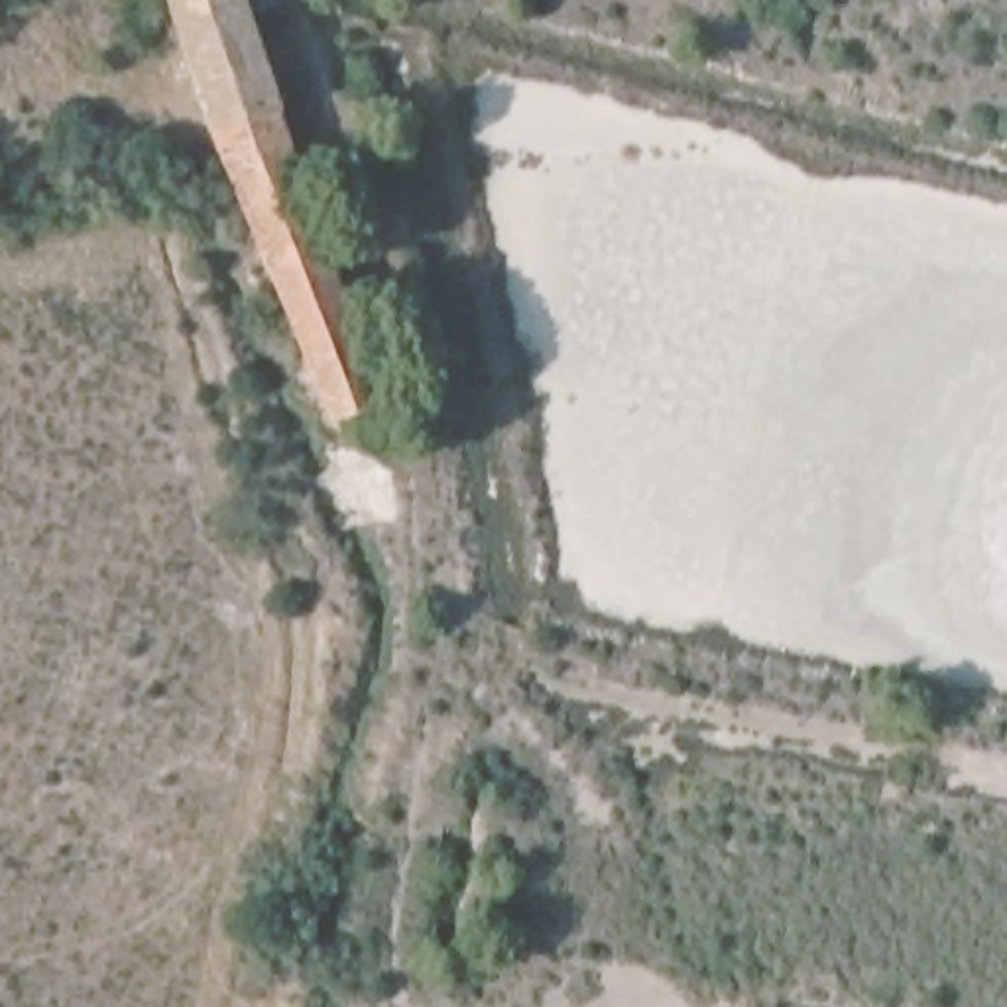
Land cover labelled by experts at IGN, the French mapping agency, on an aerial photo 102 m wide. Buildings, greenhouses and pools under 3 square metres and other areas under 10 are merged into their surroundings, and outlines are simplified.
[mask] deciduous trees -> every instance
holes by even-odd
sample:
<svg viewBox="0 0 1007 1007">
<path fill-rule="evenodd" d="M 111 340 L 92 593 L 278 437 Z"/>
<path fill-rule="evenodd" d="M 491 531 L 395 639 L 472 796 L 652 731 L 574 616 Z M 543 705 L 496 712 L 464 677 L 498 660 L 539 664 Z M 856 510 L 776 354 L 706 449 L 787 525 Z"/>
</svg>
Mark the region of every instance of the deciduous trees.
<svg viewBox="0 0 1007 1007">
<path fill-rule="evenodd" d="M 995 688 L 976 665 L 952 665 L 932 673 L 909 661 L 897 665 L 889 704 L 924 712 L 924 720 L 948 736 L 948 728 L 976 720 L 976 712 L 987 704 L 987 692 Z"/>
<path fill-rule="evenodd" d="M 35 0 L 0 0 L 0 39 L 20 39 L 20 31 L 43 8 Z"/>
<path fill-rule="evenodd" d="M 126 114 L 114 98 L 67 98 L 55 106 L 51 118 L 39 118 L 43 142 L 24 142 L 16 138 L 12 122 L 0 118 L 0 240 L 8 240 L 8 248 L 20 256 L 51 236 L 79 236 L 87 232 L 90 205 L 98 212 L 122 212 L 134 224 L 146 220 L 149 228 L 181 232 L 189 240 L 189 256 L 197 256 L 208 271 L 208 303 L 224 319 L 228 311 L 236 311 L 240 260 L 216 244 L 216 220 L 240 208 L 236 185 L 220 165 L 208 130 L 193 122 L 153 122 L 146 114 Z"/>
<path fill-rule="evenodd" d="M 358 401 L 350 421 L 354 448 L 389 468 L 397 460 L 429 456 L 425 425 L 441 405 L 433 393 L 421 334 L 413 326 L 413 299 L 397 291 L 401 267 L 389 267 L 393 248 L 385 244 L 385 236 L 358 212 L 350 212 L 346 193 L 338 189 L 334 149 L 311 146 L 303 153 L 291 146 L 287 157 L 271 169 L 271 181 L 279 197 L 279 216 L 291 224 L 334 354 Z"/>
<path fill-rule="evenodd" d="M 334 94 L 334 114 L 342 130 L 366 138 L 370 149 L 389 161 L 409 161 L 413 149 L 397 138 L 397 102 L 389 94 L 378 94 L 370 55 L 385 43 L 385 16 L 405 16 L 409 0 L 303 0 L 311 12 L 338 20 L 334 47 L 342 59 L 342 90 Z"/>
</svg>

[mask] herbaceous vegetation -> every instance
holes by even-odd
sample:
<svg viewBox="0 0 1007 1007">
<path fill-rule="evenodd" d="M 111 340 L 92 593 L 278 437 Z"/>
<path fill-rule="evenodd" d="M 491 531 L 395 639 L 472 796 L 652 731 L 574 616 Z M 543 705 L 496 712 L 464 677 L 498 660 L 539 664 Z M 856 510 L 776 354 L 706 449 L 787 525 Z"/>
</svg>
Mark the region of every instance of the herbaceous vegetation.
<svg viewBox="0 0 1007 1007">
<path fill-rule="evenodd" d="M 700 114 L 673 94 L 657 98 L 645 90 L 625 90 L 618 98 L 633 110 L 696 122 Z"/>
<path fill-rule="evenodd" d="M 795 126 L 763 130 L 755 142 L 771 157 L 791 161 L 810 177 L 893 177 L 901 173 L 901 161 L 885 153 L 850 149 L 830 138 L 814 138 Z"/>
<path fill-rule="evenodd" d="M 531 747 L 543 732 L 555 736 L 555 747 L 598 740 L 598 728 L 586 720 L 582 700 L 563 700 L 547 692 L 535 681 L 535 673 L 551 665 L 555 677 L 566 677 L 574 665 L 590 657 L 618 684 L 688 692 L 724 704 L 755 700 L 791 716 L 858 724 L 865 740 L 901 743 L 913 740 L 913 732 L 924 720 L 924 712 L 889 704 L 897 665 L 861 669 L 826 653 L 771 649 L 728 633 L 724 625 L 665 629 L 649 622 L 614 618 L 586 606 L 578 586 L 563 578 L 559 523 L 543 464 L 543 393 L 535 389 L 539 370 L 559 350 L 555 319 L 531 291 L 531 283 L 507 267 L 496 244 L 496 220 L 488 208 L 492 165 L 488 146 L 480 142 L 480 126 L 507 114 L 511 94 L 523 79 L 570 87 L 570 71 L 527 55 L 511 55 L 504 71 L 484 71 L 476 87 L 456 87 L 452 75 L 433 75 L 433 43 L 452 39 L 452 20 L 488 16 L 515 35 L 578 39 L 629 59 L 669 63 L 684 79 L 736 79 L 747 87 L 787 94 L 791 102 L 806 98 L 810 90 L 826 90 L 838 122 L 877 118 L 889 122 L 889 134 L 901 146 L 913 146 L 920 153 L 983 169 L 1007 169 L 1007 0 L 810 0 L 814 12 L 795 31 L 759 28 L 743 51 L 708 59 L 700 55 L 692 28 L 700 16 L 732 16 L 732 0 L 409 0 L 405 16 L 385 16 L 385 43 L 370 55 L 378 94 L 389 94 L 397 102 L 397 138 L 413 149 L 409 161 L 389 161 L 370 149 L 366 138 L 342 130 L 334 114 L 334 94 L 342 90 L 342 59 L 334 47 L 338 20 L 311 12 L 303 0 L 248 0 L 283 98 L 291 146 L 303 153 L 311 146 L 334 149 L 338 189 L 346 193 L 350 212 L 358 212 L 385 236 L 385 244 L 393 248 L 389 267 L 401 267 L 397 291 L 413 299 L 413 326 L 421 334 L 433 393 L 441 405 L 425 425 L 429 456 L 397 460 L 389 468 L 397 492 L 397 519 L 346 527 L 334 496 L 323 484 L 323 468 L 330 448 L 354 448 L 350 421 L 326 425 L 323 409 L 307 397 L 307 385 L 299 382 L 299 338 L 283 315 L 275 283 L 267 279 L 267 267 L 252 252 L 252 228 L 240 208 L 216 220 L 216 244 L 240 260 L 236 311 L 228 311 L 224 319 L 208 303 L 208 271 L 197 256 L 189 256 L 189 240 L 181 232 L 149 228 L 146 220 L 134 224 L 122 212 L 98 212 L 90 205 L 87 232 L 79 236 L 51 236 L 20 256 L 8 248 L 8 240 L 0 240 L 0 1007 L 582 1007 L 602 995 L 602 964 L 610 960 L 602 940 L 590 940 L 586 956 L 555 960 L 559 940 L 570 936 L 582 920 L 582 905 L 570 893 L 547 889 L 547 877 L 563 865 L 563 854 L 543 846 L 519 850 L 507 834 L 488 834 L 488 814 L 496 810 L 496 802 L 515 810 L 519 818 L 535 818 L 551 799 L 539 771 L 515 763 L 515 755 L 507 751 L 511 743 Z M 995 63 L 979 67 L 956 51 L 932 51 L 936 31 L 956 8 L 968 8 L 979 20 L 979 28 L 995 35 Z"/>
<path fill-rule="evenodd" d="M 791 1007 L 885 1007 L 873 999 L 842 995 L 830 972 L 799 968 L 791 983 Z"/>
<path fill-rule="evenodd" d="M 110 71 L 102 63 L 110 31 L 122 20 L 122 0 L 35 0 L 43 8 L 20 31 L 20 39 L 0 39 L 0 118 L 12 122 L 16 138 L 24 142 L 43 142 L 39 118 L 51 118 L 55 106 L 67 98 L 114 98 L 126 114 L 146 114 L 153 122 L 193 122 L 193 87 L 185 79 L 173 79 L 173 63 L 165 55 L 153 55 L 126 71 Z"/>
<path fill-rule="evenodd" d="M 669 775 L 696 775 L 704 767 L 708 743 L 712 724 L 669 716 L 661 736 L 669 736 L 684 751 L 684 763 L 661 755 L 641 767 L 633 759 L 633 747 L 625 755 L 614 755 L 618 775 L 633 783 L 633 810 L 653 814 L 657 802 L 649 787 L 661 787 Z"/>
</svg>

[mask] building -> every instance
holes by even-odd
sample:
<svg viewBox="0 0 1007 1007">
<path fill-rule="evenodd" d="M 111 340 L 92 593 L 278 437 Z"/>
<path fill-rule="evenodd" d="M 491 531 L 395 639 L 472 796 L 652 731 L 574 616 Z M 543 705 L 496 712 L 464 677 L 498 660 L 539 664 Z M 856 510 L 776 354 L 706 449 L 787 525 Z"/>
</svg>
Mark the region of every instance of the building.
<svg viewBox="0 0 1007 1007">
<path fill-rule="evenodd" d="M 279 216 L 279 197 L 271 181 L 271 169 L 287 157 L 291 146 L 283 98 L 248 0 L 169 0 L 173 47 L 165 55 L 173 63 L 173 79 L 185 79 L 193 87 L 193 122 L 208 130 L 220 165 L 236 185 L 240 208 L 252 228 L 252 252 L 267 267 L 267 279 L 275 283 L 283 315 L 299 338 L 299 382 L 307 385 L 307 397 L 323 409 L 326 425 L 350 421 L 358 401 L 334 354 L 291 224 Z"/>
</svg>

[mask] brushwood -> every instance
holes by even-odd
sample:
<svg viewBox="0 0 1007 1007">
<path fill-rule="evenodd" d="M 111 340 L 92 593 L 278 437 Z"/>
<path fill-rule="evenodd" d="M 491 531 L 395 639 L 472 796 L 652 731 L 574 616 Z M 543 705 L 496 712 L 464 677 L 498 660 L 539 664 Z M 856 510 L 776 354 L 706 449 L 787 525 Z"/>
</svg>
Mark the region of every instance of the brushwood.
<svg viewBox="0 0 1007 1007">
<path fill-rule="evenodd" d="M 692 28 L 700 55 L 708 59 L 743 51 L 759 28 L 795 31 L 814 12 L 810 0 L 732 0 L 732 16 L 700 16 Z"/>
<path fill-rule="evenodd" d="M 433 43 L 433 75 L 452 75 L 456 87 L 476 87 L 484 71 L 504 71 L 511 55 L 527 55 L 570 71 L 570 87 L 582 94 L 618 98 L 625 90 L 645 90 L 657 98 L 673 94 L 700 114 L 696 122 L 755 142 L 763 130 L 795 126 L 814 138 L 830 138 L 850 149 L 885 153 L 901 161 L 901 173 L 893 177 L 1007 205 L 1007 169 L 983 169 L 920 153 L 913 146 L 901 146 L 889 134 L 889 122 L 877 118 L 838 122 L 826 90 L 810 90 L 806 98 L 791 102 L 787 94 L 747 87 L 736 79 L 684 79 L 669 63 L 629 59 L 578 39 L 515 35 L 488 16 L 452 20 L 452 39 Z"/>
<path fill-rule="evenodd" d="M 641 964 L 673 979 L 692 1007 L 791 1007 L 791 983 L 799 968 L 830 972 L 842 995 L 873 999 L 885 1007 L 1007 1007 L 1007 799 L 987 795 L 979 787 L 948 783 L 940 747 L 944 740 L 956 740 L 979 751 L 1007 751 L 1007 692 L 995 688 L 987 692 L 987 704 L 976 712 L 976 720 L 948 728 L 948 736 L 924 720 L 913 732 L 913 740 L 901 743 L 905 755 L 873 759 L 865 767 L 850 747 L 814 755 L 810 740 L 775 736 L 771 747 L 708 743 L 704 767 L 696 775 L 669 775 L 661 787 L 649 787 L 657 802 L 653 814 L 633 810 L 633 783 L 618 775 L 614 755 L 625 755 L 633 747 L 633 736 L 649 732 L 645 720 L 633 720 L 614 704 L 582 700 L 586 720 L 598 728 L 598 740 L 555 747 L 555 736 L 543 732 L 531 747 L 511 743 L 507 751 L 515 755 L 515 763 L 539 771 L 551 799 L 535 818 L 519 818 L 515 810 L 496 802 L 496 810 L 488 814 L 488 834 L 507 834 L 519 850 L 543 846 L 563 854 L 563 865 L 547 877 L 547 889 L 570 893 L 582 905 L 582 920 L 570 936 L 559 940 L 555 960 L 586 956 L 590 940 L 602 940 L 610 960 Z M 598 795 L 610 802 L 610 822 L 582 822 L 570 795 L 570 783 L 578 775 L 594 779 Z"/>
<path fill-rule="evenodd" d="M 968 8 L 956 8 L 936 31 L 932 51 L 956 51 L 979 67 L 995 63 L 995 35 L 979 28 L 979 20 Z"/>
<path fill-rule="evenodd" d="M 110 71 L 126 71 L 153 55 L 165 55 L 173 47 L 169 0 L 122 0 L 122 20 L 110 31 L 102 63 Z"/>
</svg>

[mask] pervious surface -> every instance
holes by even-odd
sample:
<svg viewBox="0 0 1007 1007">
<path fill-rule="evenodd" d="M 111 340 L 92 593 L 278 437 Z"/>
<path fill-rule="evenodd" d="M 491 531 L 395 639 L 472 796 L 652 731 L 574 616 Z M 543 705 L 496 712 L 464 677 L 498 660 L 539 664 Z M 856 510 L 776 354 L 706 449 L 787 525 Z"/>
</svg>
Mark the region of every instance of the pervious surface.
<svg viewBox="0 0 1007 1007">
<path fill-rule="evenodd" d="M 708 743 L 771 747 L 775 736 L 810 740 L 814 755 L 850 747 L 865 767 L 873 759 L 905 755 L 901 743 L 865 740 L 858 724 L 791 716 L 755 700 L 724 704 L 688 692 L 618 684 L 590 657 L 574 665 L 566 677 L 555 677 L 551 665 L 535 673 L 535 681 L 547 692 L 563 700 L 582 700 L 614 704 L 633 720 L 645 720 L 649 732 L 633 736 L 633 747 L 633 759 L 641 767 L 661 755 L 684 763 L 684 751 L 669 736 L 661 736 L 669 716 L 712 724 Z"/>
<path fill-rule="evenodd" d="M 610 960 L 602 964 L 602 995 L 582 1007 L 692 1007 L 673 979 L 641 964 Z"/>
<path fill-rule="evenodd" d="M 570 795 L 582 822 L 610 822 L 610 802 L 598 795 L 594 779 L 578 775 L 570 783 Z"/>
<path fill-rule="evenodd" d="M 354 448 L 330 448 L 323 468 L 323 484 L 334 496 L 346 527 L 397 519 L 397 492 L 389 468 Z"/>
<path fill-rule="evenodd" d="M 1007 751 L 979 751 L 956 740 L 944 740 L 940 747 L 948 783 L 979 787 L 987 795 L 1007 799 Z"/>
<path fill-rule="evenodd" d="M 909 661 L 932 673 L 952 665 L 976 665 L 995 688 L 1007 692 L 1007 205 L 893 177 L 810 177 L 791 161 L 771 157 L 755 142 L 696 122 L 633 110 L 618 98 L 582 94 L 570 87 L 523 79 L 511 94 L 507 114 L 480 126 L 480 142 L 488 146 L 492 165 L 488 208 L 496 220 L 496 244 L 507 267 L 531 283 L 531 291 L 555 319 L 559 350 L 539 370 L 535 389 L 543 393 L 543 464 L 559 523 L 563 578 L 578 586 L 586 606 L 614 618 L 649 622 L 665 629 L 724 625 L 728 633 L 771 649 L 826 653 L 861 669 L 897 665 Z"/>
</svg>

